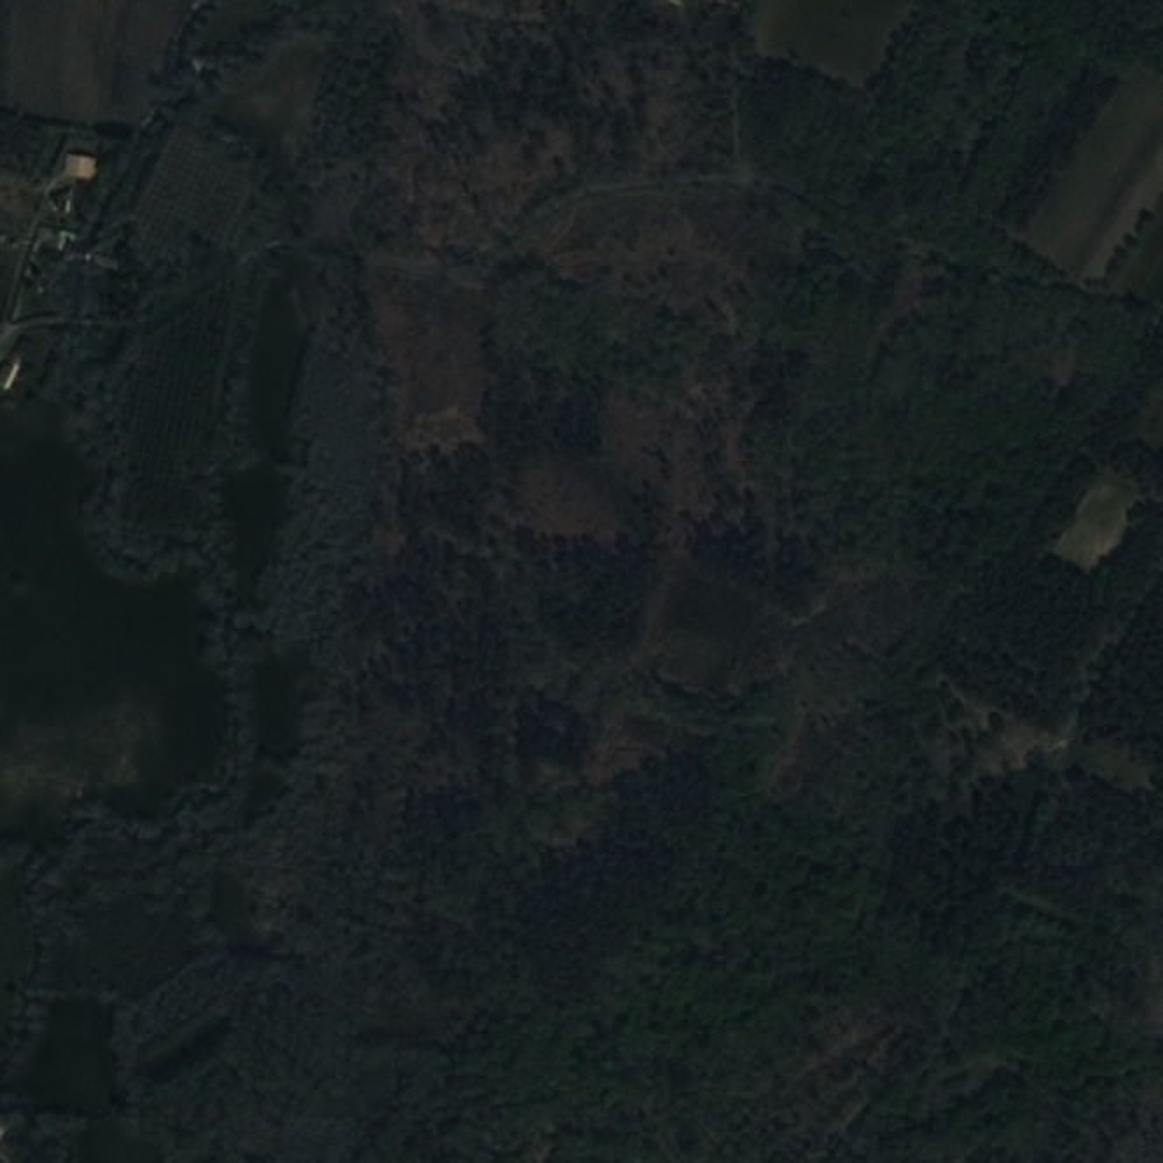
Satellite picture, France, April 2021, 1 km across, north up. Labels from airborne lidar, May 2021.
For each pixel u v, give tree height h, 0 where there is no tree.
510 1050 22
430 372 0
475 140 12
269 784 0
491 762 26
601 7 11
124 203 13
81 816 12
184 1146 29
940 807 12
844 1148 23
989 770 18
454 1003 11
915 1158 16
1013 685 15
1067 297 17
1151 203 0
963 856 19
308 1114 22
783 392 15
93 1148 0
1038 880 24
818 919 13
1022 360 19
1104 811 16
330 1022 24
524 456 21
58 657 0
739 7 11
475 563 15
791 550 20
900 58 17
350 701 19
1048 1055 18
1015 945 15
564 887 18
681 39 9
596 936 23
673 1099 25
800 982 17
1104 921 16
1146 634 21
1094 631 22
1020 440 21
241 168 26
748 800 13
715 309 18
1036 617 21
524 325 24
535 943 22
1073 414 22
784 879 24
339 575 13
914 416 18
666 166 12
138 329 16
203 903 18
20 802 0
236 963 19
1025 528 20
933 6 20
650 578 21
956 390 23
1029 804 0
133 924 7
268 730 0
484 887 18
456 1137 30
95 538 11
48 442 0
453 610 22
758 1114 11
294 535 13
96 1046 0
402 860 10
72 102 0
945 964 20
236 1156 31
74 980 7
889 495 20
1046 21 22
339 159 9
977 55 15
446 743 21
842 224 20
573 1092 16
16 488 0
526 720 14
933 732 17
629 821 16
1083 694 13
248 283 22
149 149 16
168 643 0
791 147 15
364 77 19
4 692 0
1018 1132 17
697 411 12
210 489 22
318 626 11
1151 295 0
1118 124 0
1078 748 0
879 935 17
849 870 13
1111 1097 21
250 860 8
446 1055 21
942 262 20
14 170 10
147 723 0
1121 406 19
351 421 16
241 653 21
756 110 15
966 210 18
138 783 0
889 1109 20
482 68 11
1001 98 7
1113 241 0
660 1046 18
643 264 0
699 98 11
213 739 0
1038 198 12
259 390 0
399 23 12
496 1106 17
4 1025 12
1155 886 14
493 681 24
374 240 17
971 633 22
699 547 7
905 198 21
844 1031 13
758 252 0
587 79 12
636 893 26
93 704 0
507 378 19
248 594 0
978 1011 24
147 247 29
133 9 0
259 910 12
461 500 23
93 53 0
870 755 11
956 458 16
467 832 28
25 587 14
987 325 18
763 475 14
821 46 0
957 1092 13
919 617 12
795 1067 9
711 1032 19
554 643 16
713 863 19
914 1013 11
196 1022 17
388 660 6
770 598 25
